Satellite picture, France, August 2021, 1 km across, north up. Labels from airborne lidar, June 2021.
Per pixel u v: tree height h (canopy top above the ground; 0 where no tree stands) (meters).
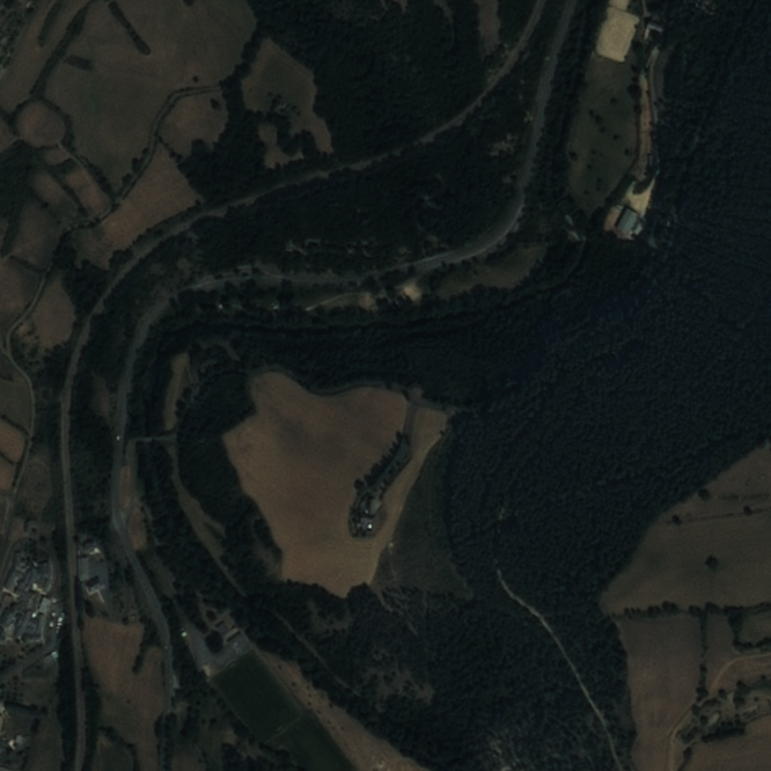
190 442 10
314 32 13
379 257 9
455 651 19
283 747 0
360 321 22
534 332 6
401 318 29
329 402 0
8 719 0
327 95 15
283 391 0
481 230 15
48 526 0
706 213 20
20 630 0
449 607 15
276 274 0
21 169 5
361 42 20
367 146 9
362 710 16
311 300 0
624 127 0
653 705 0
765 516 0
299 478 0
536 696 17
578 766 12
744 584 0
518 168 9
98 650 0
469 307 27
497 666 14
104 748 0
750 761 0
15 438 0
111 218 0
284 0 18
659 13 11
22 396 0
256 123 13
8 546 0
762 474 0
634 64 0
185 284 7
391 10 11
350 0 10
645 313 26
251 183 11
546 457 24
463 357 9
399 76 7
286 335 16
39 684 0
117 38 0
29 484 0
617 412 28
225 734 0
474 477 27
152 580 10
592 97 0
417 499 0
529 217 9
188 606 22
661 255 14
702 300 27
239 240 21
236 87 17
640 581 0
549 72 0
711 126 13
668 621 0
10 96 0
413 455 0
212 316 12
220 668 0
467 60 17
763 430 25
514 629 14
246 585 19
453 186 14
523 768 10
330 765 0
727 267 19
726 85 20
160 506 19
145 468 16
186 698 9
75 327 8
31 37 0
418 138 11
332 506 0
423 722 17
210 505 8
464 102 7
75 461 5
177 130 0
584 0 17
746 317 21
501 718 15
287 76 0
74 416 14
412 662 19
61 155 0
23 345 6
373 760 0
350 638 8
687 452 28
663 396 26
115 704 0
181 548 18
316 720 0
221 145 11
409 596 10
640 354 29
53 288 0
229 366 16
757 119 20
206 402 6
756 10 14
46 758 0
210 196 10
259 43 11
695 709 9
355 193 11
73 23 6
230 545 12
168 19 0
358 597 14
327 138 0
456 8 19
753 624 0
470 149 22
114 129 0
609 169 0
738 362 28
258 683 0
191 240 6
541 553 28
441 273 6
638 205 0
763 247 17
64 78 0
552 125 21
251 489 0
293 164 10
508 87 10
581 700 14
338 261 16
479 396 8
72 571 0
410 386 9
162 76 0
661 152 12
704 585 0
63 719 14
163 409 13
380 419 0
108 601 0
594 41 12
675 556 0
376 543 0
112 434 9
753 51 19
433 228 28
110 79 0
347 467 0
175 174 0
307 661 11
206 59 0
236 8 0
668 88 11
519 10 12
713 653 0
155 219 0
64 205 0
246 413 9
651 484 29
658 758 0
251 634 18
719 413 31
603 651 18
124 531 0
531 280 7
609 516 31
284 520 0
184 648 19
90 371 9
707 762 0
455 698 18
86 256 0
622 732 8
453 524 25
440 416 0
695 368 27
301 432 0
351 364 11
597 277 7
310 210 15
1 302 0
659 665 0
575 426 24
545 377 31
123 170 0
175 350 17
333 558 0
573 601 24
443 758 30
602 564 29
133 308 8
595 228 14
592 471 28
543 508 29
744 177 23
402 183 15
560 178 19
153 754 0
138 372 7
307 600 9
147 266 9
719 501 0
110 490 9
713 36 14
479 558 25
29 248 0
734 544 0
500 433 25
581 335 12
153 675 0
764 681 9
